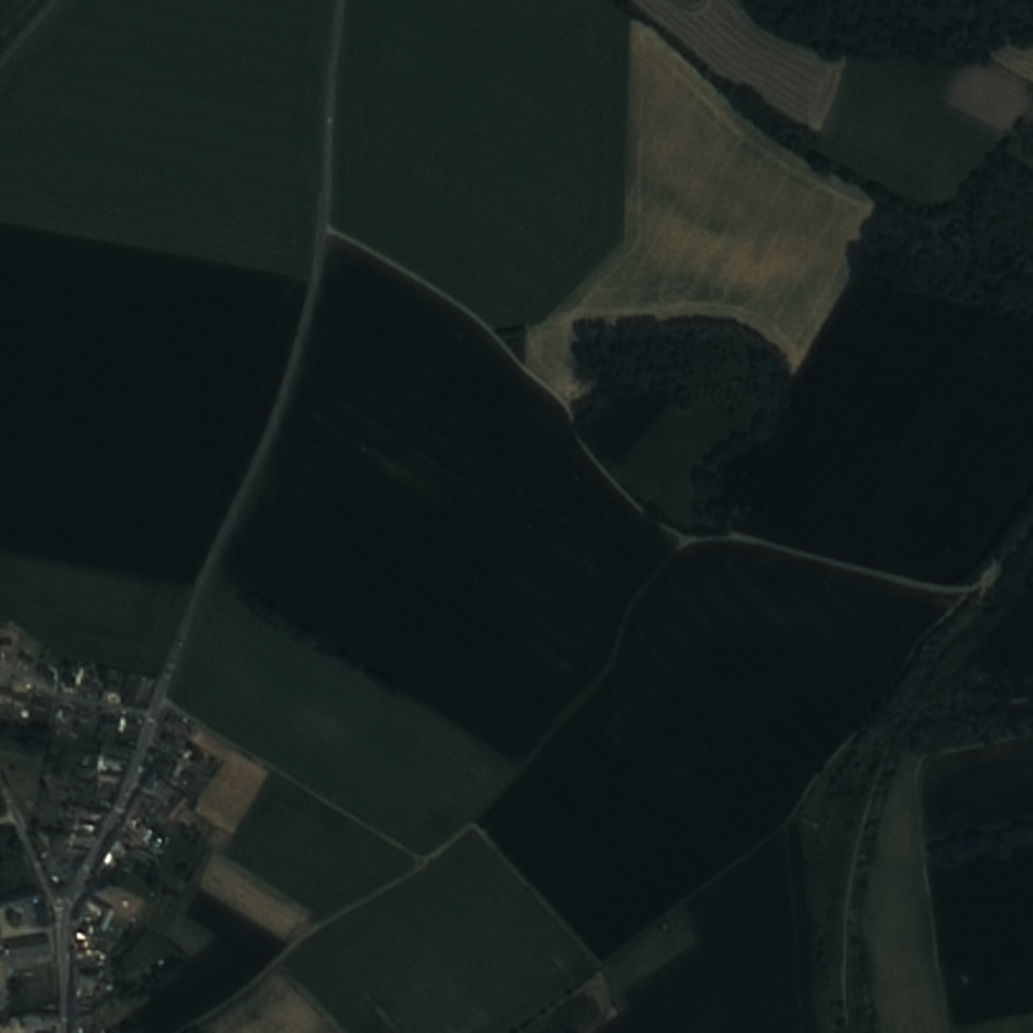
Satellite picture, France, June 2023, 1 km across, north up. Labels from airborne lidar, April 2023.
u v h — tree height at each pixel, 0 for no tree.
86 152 0
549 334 0
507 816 0
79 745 0
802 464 0
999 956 0
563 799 0
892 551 0
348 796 0
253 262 0
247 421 0
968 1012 0
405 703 0
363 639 0
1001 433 0
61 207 0
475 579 0
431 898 0
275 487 0
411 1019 0
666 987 0
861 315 0
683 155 0
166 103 0
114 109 0
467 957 0
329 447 0
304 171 0
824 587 0
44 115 0
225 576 0
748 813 0
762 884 0
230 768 0
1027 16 15
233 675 0
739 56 0
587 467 0
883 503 0
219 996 0
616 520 0
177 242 0
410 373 0
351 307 0
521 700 0
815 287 0
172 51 0
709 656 0
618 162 0
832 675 0
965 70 0
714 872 0
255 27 0
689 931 0
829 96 0
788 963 0
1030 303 21
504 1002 0
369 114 0
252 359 0
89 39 0
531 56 0
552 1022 0
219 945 0
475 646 0
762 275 0
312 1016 0
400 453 0
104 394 0
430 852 0
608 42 0
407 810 0
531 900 0
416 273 0
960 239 19
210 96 0
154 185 0
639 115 0
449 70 0
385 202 0
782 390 13
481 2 0
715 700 0
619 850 0
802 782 0
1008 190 18
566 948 0
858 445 0
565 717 0
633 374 9
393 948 0
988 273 6
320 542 0
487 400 0
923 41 23
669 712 0
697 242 0
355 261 0
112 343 0
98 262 0
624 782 0
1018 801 0
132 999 10
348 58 0
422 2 0
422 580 0
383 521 0
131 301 0
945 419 0
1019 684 0
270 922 0
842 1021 8
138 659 0
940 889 0
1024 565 18
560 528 0
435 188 0
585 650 0
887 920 0
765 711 0
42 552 0
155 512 0
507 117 0
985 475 0
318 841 0
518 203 0
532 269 0
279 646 0
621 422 0
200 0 0
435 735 0
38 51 0
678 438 0
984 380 0
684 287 0
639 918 0
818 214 0
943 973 0
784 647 0
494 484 0
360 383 0
